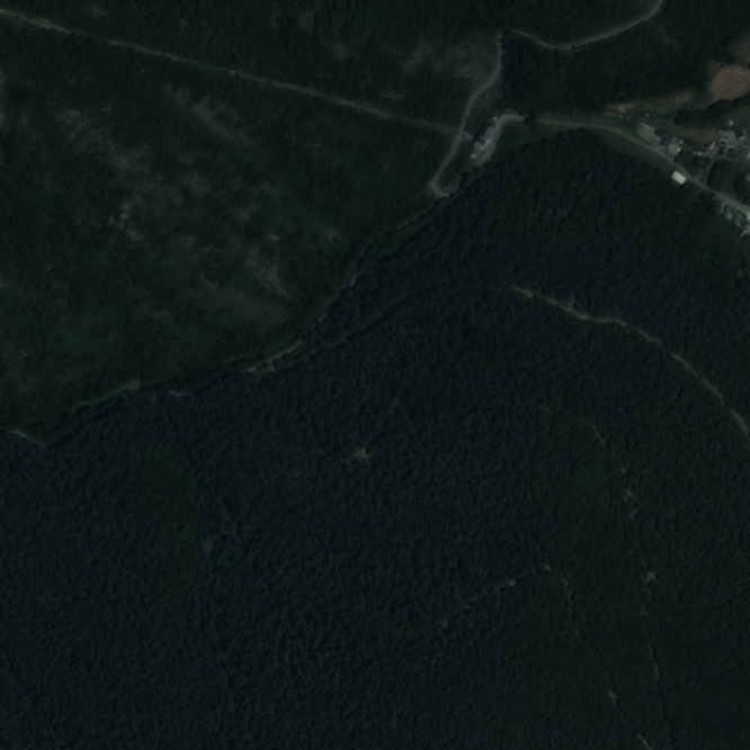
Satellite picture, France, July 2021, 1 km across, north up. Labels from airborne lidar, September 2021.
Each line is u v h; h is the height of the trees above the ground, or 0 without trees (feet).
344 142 38
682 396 66
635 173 20
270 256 29
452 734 75
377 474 51
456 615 24
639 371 83
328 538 69
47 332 26
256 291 20
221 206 39
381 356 62
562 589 59
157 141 31
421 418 40
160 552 62
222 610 50
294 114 18
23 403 21
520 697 71
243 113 31
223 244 53
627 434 73
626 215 47
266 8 54
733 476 25
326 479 71
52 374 40
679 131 0
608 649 70
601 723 76
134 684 72
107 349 26
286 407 67
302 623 87
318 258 25
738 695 72
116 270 35
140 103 44
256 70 44
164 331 21
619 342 69
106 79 47
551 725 83
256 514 57
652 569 67
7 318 51
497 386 57
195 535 68
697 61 62
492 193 54
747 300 62
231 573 70
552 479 69
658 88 75
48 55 53
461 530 49
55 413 27
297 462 44
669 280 78
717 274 44
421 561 67
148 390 70
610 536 72
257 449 51
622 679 60
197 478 76
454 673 77
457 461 64
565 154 70
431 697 84
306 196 33
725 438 57
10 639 72
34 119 38
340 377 89
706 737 75
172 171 41
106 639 68
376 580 89
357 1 47
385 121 31
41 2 63
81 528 73
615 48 34
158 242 27
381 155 19
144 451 53
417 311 63
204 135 30
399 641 51
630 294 77
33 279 40
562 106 74
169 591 68
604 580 56
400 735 57
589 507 61
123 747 56
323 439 53
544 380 55
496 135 0
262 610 64
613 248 67
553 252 50
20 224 56
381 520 73
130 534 83
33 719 73
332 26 29
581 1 41
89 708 49
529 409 50
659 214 51
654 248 54
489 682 76
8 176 18
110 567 73
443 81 28
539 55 64
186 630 34
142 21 35
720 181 80
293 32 62
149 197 43
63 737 59
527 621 71
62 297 39
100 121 27
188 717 75
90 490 56
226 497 68
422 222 23
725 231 0
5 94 19
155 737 92
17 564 61
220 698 64
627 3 34
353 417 54
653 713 78
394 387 44
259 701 67
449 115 43
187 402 74
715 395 42
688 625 69
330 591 70
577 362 73
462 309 61
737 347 59
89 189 31
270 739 61
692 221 53
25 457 74
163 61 52
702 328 65
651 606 58
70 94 46
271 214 35
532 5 26
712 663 68
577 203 48
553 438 86
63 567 73
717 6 52
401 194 27
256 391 90
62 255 39
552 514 45
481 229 69
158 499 89
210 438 79
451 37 40
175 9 78
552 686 88
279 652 50
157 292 40
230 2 76
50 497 68
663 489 51
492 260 68
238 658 52
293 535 66
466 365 34
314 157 25
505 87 32
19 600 58
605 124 0
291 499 58
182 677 75
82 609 71
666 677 74
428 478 87
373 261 26
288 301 21
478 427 67
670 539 65
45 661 60
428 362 63
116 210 28
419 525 50
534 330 57
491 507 52
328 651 43
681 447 83
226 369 44
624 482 64
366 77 47
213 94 32
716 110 73
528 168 28
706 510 71
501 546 52
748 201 55
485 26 55
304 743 68
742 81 0
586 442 67
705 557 44
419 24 49
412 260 80
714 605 38
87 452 82
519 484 80
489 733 72
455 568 45
